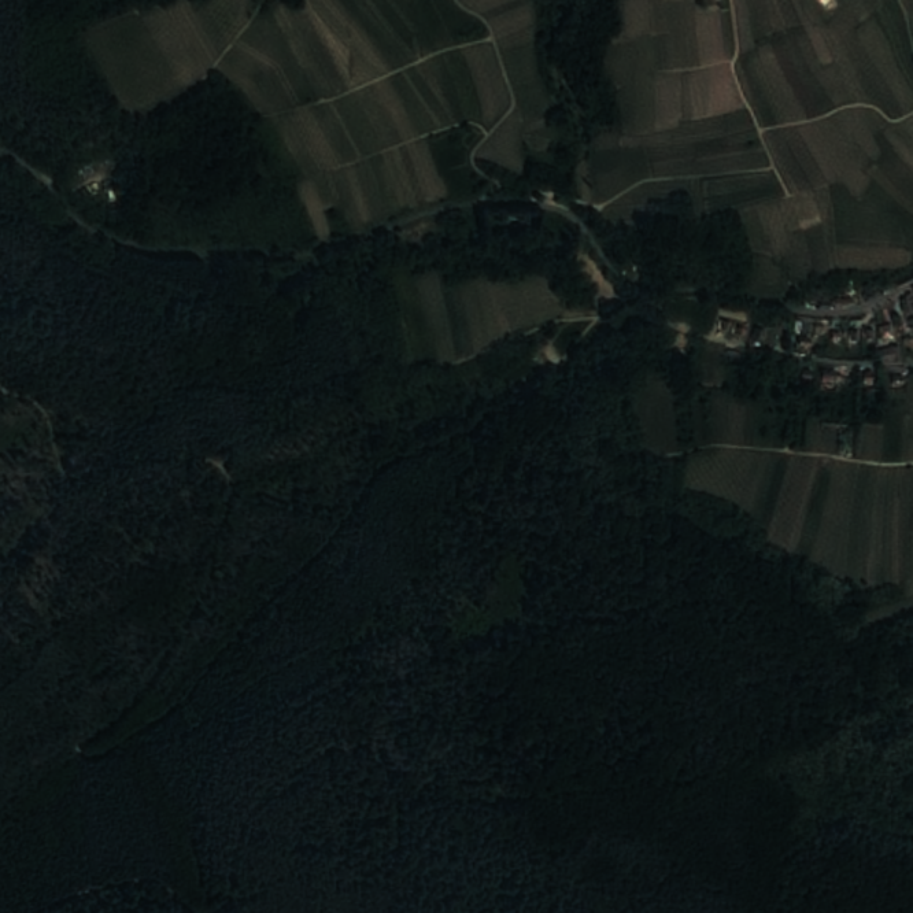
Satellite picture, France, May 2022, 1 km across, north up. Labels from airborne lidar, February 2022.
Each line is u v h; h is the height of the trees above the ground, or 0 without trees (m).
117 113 7
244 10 0
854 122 0
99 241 18
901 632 14
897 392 0
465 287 0
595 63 11
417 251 18
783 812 19
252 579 14
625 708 29
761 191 0
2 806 29
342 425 9
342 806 22
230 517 21
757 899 14
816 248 0
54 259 23
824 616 20
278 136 0
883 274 6
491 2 0
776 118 0
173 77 0
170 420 24
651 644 27
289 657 16
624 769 27
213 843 21
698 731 23
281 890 17
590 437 22
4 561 27
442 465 15
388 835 22
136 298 25
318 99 0
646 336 15
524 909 34
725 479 0
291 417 17
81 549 19
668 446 0
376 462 14
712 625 26
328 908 20
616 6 6
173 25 0
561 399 20
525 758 28
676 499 11
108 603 14
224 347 30
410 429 11
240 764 20
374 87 0
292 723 18
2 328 26
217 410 24
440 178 0
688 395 16
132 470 20
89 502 24
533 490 24
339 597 16
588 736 22
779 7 0
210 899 27
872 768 21
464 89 0
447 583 25
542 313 0
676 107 0
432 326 0
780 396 17
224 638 16
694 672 27
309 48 0
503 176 14
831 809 24
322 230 0
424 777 32
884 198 0
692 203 12
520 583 0
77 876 17
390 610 11
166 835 16
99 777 22
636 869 19
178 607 16
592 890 30
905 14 0
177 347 21
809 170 0
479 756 10
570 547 28
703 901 21
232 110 15
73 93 11
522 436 24
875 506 0
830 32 0
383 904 23
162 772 23
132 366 20
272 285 18
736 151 0
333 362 13
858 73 0
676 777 15
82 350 21
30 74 11
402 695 35
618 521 29
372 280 23
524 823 20
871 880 23
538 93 0
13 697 23
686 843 18
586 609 25
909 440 0
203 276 18
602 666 28
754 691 29
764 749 29
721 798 17
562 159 15
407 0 0
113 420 25
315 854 25
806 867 25
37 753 27
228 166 26
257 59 0
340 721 25
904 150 0
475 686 24
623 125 0
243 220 18
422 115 0
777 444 0
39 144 8
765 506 0
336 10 0
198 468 19
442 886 25
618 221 0
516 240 25
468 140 0
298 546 20
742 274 12
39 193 27
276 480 13
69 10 18
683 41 0
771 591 21
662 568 27
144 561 20
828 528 0
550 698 26
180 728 18
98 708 19
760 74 0
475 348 0
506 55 0
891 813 27
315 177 0
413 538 15
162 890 17
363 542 13
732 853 18
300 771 7
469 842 27
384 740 32
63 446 17
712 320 0
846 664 25
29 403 15
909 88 0
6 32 20
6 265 24
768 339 0
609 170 0
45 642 18
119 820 16
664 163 0
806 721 28
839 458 0
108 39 0
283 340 24
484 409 19
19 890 14
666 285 22
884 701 11
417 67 0
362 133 0
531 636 19
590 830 22
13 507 29
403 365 15
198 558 19
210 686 17
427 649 27
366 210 0
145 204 13
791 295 8
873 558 0
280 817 18
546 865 25
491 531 13
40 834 16
